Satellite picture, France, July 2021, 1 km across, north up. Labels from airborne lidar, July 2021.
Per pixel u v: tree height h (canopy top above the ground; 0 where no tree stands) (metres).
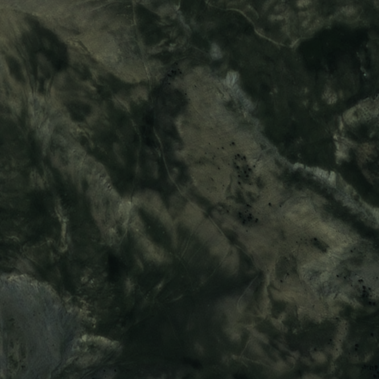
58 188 0
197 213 0
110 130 0
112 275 0
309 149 0
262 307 0
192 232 0
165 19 0
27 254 0
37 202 0
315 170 0
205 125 0
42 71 0
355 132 0
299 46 0
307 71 0
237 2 0
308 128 0
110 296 0
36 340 0
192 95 0
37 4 0
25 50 0
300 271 0
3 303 0
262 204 0
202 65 0
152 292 0
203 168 0
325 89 0
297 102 0
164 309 0
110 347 0
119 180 0
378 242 0
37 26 0
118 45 0
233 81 0
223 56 0
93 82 0
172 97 0
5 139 0
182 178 0
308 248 0
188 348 0
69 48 0
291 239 0
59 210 0
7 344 0
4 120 0
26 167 0
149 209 0
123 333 0
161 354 0
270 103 0
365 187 0
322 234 0
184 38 0
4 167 0
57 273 0
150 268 0
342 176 0
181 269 0
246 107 0
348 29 0
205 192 0
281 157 0
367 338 0
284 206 0
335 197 0
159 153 0
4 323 0
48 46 0
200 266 0
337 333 0
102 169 0
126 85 0
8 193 0
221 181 0
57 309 0
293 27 0
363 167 0
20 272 0
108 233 0
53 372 0
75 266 0
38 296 0
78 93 0
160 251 0
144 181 0
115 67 0
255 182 0
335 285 0
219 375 0
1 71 0
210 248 0
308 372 0
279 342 0
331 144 0
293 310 0
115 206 0
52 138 0
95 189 0
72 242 0
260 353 0
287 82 0
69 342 0
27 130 0
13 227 0
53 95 0
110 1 0
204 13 0
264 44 0
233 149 0
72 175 0
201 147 0
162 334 0
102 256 0
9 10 0
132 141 0
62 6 0
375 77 0
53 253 0
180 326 0
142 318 0
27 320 0
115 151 0
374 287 0
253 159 0
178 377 0
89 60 0
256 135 0
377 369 15
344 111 0
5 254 0
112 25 0
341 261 0
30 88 0
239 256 0
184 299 0
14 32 0
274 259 0
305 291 0
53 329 0
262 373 0
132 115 0
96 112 0
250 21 0
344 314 0
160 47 0
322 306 0
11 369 0
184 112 0
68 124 0
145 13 0
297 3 0
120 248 0
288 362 0
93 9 0
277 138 0
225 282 0
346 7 0
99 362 0
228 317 0
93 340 0
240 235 0
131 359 0
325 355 0
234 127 0
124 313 0
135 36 0
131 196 0
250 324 0
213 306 0
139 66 0
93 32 0
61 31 0
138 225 0
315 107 0
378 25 0
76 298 0
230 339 0
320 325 0
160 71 0
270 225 0
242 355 0
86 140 0
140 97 0
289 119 0
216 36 0
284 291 0
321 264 0
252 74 0
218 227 0
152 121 0
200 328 0
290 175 0
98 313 0
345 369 0
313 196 0
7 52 0
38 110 0
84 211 0
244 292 0
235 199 0
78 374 0
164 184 0
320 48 0
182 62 0
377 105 0
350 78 0
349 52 0
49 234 0
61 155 0
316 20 0
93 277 0
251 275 0
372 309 0
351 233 0
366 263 0
